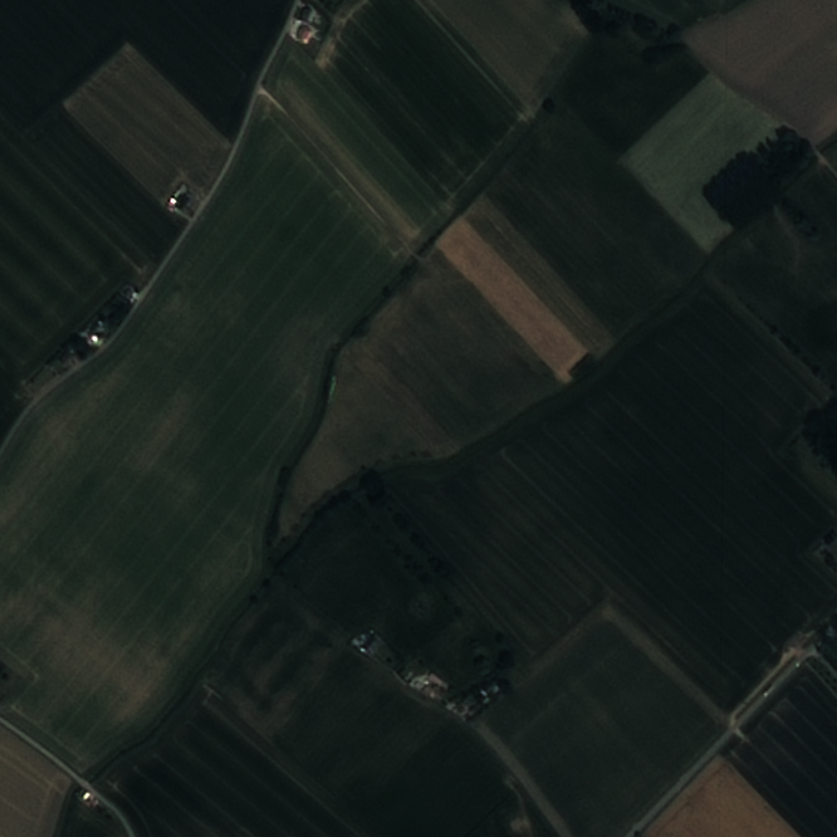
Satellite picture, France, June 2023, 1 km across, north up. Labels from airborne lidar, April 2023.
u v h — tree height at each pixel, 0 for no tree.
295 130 0
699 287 0
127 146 0
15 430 0
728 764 0
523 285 0
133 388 0
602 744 0
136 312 0
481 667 11
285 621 0
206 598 0
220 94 0
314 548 0
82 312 0
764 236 0
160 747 0
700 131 0
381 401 0
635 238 0
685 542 0
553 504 0
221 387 0
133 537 0
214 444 0
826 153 0
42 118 0
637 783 0
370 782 0
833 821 0
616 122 0
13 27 0
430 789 0
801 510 0
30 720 0
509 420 0
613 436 0
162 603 0
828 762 0
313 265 0
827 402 0
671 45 6
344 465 0
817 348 0
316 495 0
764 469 0
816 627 0
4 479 0
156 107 0
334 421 0
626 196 0
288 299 0
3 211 0
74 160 0
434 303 0
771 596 0
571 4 0
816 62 0
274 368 0
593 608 0
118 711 0
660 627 0
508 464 0
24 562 0
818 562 0
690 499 0
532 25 0
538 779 0
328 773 0
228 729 0
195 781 0
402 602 0
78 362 0
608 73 0
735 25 0
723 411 0
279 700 0
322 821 0
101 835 0
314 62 0
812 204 0
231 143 0
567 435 0
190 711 0
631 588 0
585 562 0
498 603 0
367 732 0
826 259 0
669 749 0
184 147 0
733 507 0
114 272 0
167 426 0
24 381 0
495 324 0
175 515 0
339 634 0
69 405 0
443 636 0
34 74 0
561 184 0
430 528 0
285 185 0
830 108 0
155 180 0
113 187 0
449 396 0
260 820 0
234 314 0
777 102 0
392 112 0
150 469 0
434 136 0
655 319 0
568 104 0
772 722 0
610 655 0
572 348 0
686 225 0
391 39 0
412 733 0
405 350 0
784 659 0
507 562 0
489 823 0
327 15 0
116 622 0
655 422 0
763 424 0
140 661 0
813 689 0
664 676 0
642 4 0
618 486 0
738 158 0
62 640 0
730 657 0
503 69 0
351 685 0
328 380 6
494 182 0
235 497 0
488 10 0
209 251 0
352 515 0
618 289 0
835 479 0
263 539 0
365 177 0
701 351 0
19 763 0
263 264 0
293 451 0
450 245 0
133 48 0
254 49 0
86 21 0
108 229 0
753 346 0
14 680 0
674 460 0
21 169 0
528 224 0
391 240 0
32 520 0
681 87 0
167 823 0
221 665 0
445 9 0
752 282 0
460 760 0
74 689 0
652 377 0
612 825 0
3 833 0
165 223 0
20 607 0
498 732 0
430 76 0
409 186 0
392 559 0
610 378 0
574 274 0
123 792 0
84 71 0
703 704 0
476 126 0
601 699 0
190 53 0
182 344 0
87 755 0
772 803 0
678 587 0
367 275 0
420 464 0
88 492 0
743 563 0
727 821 0
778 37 0
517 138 0
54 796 0
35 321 0
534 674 0
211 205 0
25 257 0
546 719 0
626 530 0
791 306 0
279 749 0
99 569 0
